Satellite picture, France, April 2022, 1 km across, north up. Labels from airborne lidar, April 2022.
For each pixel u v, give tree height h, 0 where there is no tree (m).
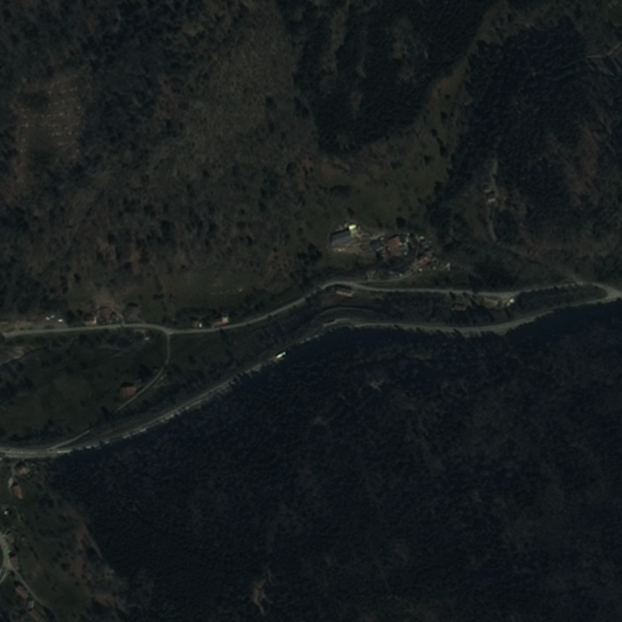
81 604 0
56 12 15
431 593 14
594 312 12
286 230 25
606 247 11
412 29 18
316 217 0
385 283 0
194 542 22
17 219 7
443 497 18
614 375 26
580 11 14
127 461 20
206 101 0
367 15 22
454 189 19
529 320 0
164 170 16
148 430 0
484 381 26
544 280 12
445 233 14
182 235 11
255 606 21
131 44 14
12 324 0
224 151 9
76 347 0
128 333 15
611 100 23
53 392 0
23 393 11
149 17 14
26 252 25
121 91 17
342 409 22
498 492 26
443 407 27
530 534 14
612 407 26
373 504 17
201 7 11
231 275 0
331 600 11
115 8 17
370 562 16
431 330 0
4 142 16
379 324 0
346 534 18
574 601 18
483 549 22
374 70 24
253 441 24
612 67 0
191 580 18
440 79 8
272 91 13
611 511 12
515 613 19
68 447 0
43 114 0
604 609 18
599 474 20
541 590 18
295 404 24
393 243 0
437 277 0
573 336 22
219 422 22
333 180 0
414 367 24
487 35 0
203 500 27
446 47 23
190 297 0
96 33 15
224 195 13
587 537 19
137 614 14
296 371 25
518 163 25
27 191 0
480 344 23
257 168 19
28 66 21
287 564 20
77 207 0
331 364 25
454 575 19
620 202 20
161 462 27
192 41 12
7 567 0
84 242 21
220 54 6
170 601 16
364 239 0
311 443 24
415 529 24
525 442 32
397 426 18
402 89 20
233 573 19
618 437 24
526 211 0
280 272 9
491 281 17
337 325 0
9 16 30
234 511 21
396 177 0
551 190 27
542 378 28
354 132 24
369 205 0
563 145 22
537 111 21
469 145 22
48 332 0
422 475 24
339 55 16
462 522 22
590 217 21
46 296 13
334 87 22
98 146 13
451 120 9
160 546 14
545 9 6
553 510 14
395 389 15
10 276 19
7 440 14
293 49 19
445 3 24
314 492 22
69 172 9
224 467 26
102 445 0
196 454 20
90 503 24
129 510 18
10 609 14
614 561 17
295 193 20
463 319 14
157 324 0
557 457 28
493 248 15
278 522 26
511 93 27
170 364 0
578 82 22
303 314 0
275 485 23
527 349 24
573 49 33
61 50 14
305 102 17
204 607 15
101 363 0
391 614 12
